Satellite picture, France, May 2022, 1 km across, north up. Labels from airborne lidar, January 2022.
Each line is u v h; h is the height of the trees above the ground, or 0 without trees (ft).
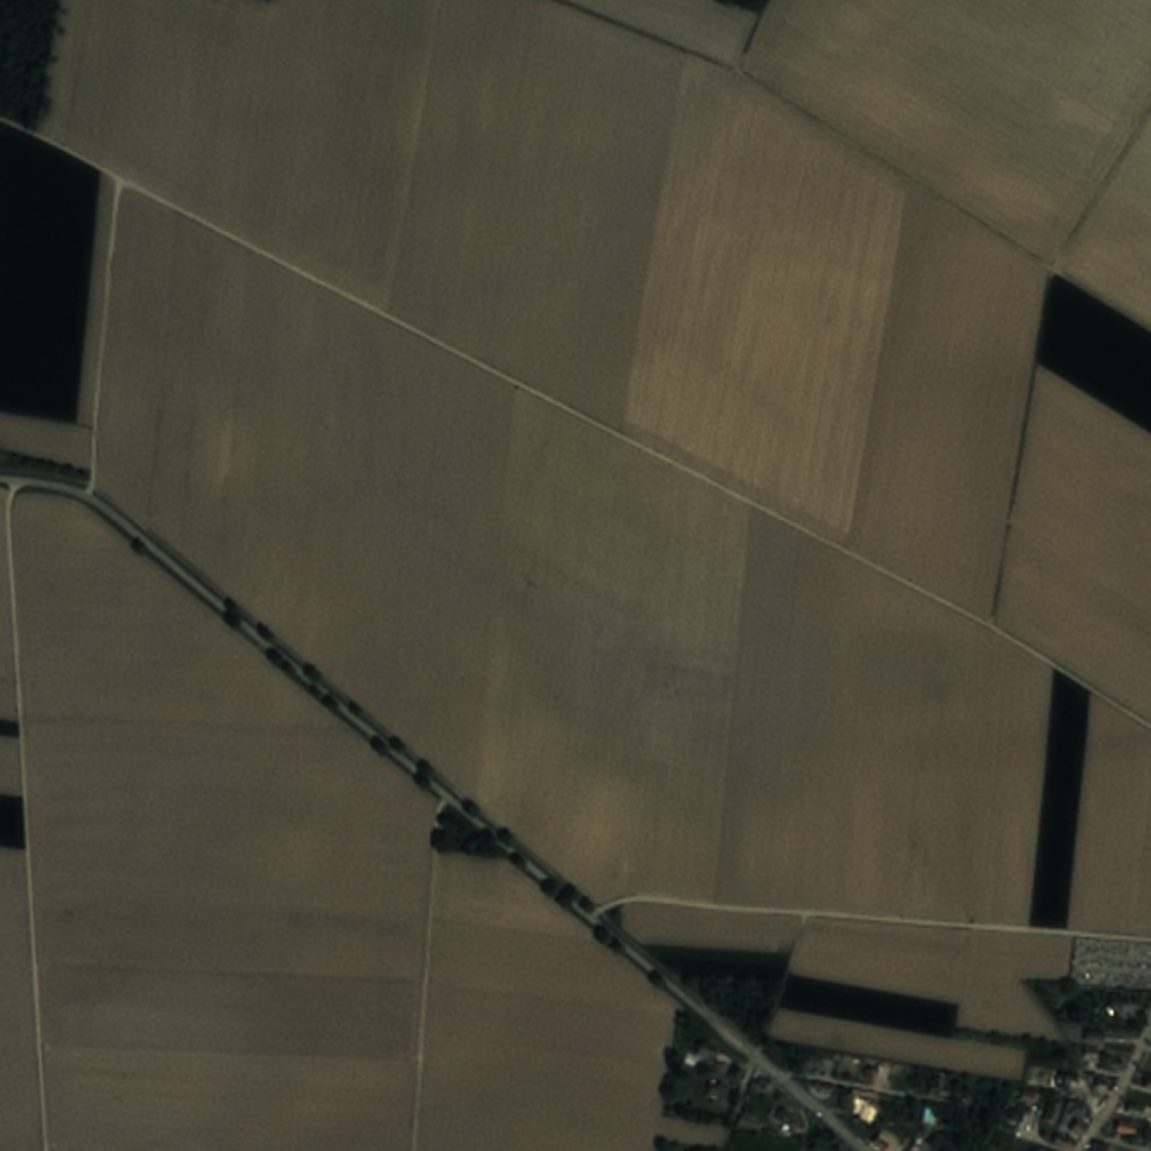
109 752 0
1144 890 0
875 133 0
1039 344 0
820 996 0
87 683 0
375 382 0
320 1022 0
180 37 0
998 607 0
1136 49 0
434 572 0
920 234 0
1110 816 0
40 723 0
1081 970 0
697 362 0
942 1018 0
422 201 0
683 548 0
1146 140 0
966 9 0
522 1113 0
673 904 0
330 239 0
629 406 0
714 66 0
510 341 0
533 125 0
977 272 0
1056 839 0
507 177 0
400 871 0
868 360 0
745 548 0
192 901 0
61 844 0
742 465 0
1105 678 0
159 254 0
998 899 0
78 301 0
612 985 0
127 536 0
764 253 0
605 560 0
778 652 0
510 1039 0
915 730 0
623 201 0
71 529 0
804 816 0
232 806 0
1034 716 0
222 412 0
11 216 0
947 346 0
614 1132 0
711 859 0
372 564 0
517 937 0
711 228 0
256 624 0
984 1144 46
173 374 0
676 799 0
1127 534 0
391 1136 0
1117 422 0
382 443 0
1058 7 0
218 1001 0
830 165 0
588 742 0
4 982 0
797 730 0
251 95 0
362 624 0
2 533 0
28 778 0
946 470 0
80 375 0
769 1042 44
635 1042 0
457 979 0
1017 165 0
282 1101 0
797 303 0
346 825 0
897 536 0
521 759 0
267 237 0
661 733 0
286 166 0
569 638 0
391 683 0
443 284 0
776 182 0
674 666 0
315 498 0
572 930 0
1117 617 0
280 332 0
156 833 0
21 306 0
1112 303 0
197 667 0
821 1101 0
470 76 0
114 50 0
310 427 0
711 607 0
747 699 0
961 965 0
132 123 0
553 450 0
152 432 0
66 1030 0
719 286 0
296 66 0
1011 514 0
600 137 0
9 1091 0
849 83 0
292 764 0
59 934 0
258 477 0
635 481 0
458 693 0
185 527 0
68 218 0
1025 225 0
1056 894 0
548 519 0
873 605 0
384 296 0
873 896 0
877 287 0
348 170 0
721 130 0
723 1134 0
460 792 0
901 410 0
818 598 0
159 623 0
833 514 0
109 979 0
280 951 0
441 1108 0
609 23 0
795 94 0
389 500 0
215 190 0
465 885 0
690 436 0
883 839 0
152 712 0
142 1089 0
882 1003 0
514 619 0
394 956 0
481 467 0
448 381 0
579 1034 0
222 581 0
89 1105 0
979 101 0
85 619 0
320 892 0
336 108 0
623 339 0
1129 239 0
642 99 0
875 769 0
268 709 0
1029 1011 0
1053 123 0
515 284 0
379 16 0
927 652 0
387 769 0
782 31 0
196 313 0
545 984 0
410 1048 0
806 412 0
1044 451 0
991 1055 0
